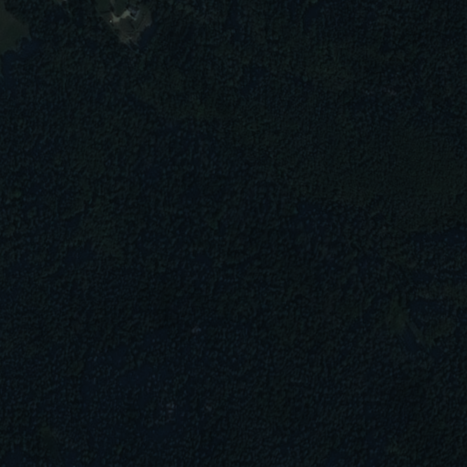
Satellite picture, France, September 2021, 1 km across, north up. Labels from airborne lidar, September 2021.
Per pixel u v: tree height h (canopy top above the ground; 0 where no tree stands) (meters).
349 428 20
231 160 29
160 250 34
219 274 27
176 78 23
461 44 25
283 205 30
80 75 28
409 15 25
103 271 25
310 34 20
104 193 25
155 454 37
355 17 34
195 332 36
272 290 28
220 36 21
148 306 31
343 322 14
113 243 18
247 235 29
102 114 25
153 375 21
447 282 23
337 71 25
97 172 25
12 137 30
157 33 17
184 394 26
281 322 22
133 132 26
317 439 24
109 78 31
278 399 27
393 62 11
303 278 25
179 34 16
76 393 26
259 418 24
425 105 28
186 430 25
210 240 30
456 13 27
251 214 31
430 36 27
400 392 25
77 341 28
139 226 29
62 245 25
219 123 24
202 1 18
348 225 29
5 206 32
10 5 23
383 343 29
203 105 20
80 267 32
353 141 20
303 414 23
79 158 23
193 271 41
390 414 25
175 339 22
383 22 25
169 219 28
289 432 20
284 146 22
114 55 7
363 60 23
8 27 0
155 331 6
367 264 9
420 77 26
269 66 20
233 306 25
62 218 30
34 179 38
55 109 25
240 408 30
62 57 26
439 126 24
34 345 26
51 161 33
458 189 16
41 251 28
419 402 23
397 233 26
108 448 37
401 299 29
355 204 23
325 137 21
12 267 19
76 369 26
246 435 34
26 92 34
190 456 31
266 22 26
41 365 35
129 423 30
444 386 16
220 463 29
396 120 31
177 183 24
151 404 34
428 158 23
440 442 21
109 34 10
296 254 27
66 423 38
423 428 23
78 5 10
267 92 32
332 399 18
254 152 30
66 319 34
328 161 23
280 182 22
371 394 30
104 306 26
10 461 6
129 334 31
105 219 21
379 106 32
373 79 25
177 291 28
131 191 36
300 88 36
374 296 27
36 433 26
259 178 32
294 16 25
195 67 26
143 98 19
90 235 26
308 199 20
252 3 28
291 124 22
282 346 22
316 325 27
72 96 30
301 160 25
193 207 31
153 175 25
